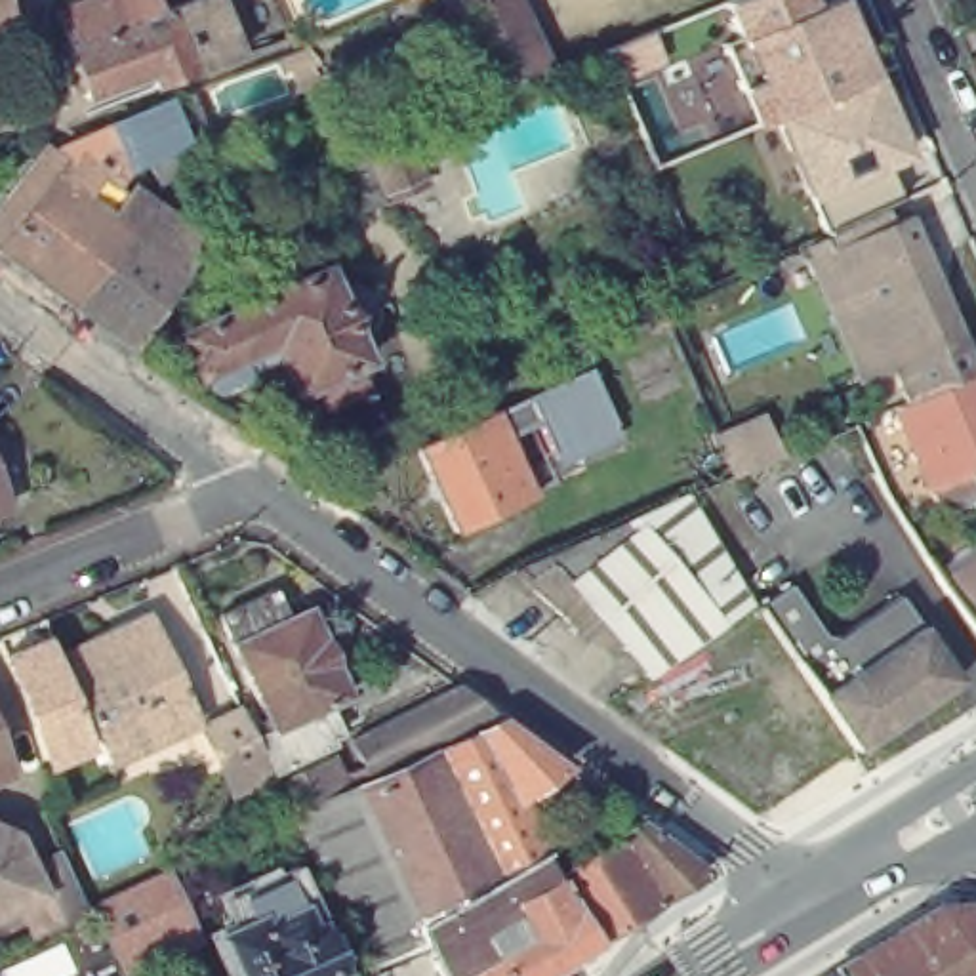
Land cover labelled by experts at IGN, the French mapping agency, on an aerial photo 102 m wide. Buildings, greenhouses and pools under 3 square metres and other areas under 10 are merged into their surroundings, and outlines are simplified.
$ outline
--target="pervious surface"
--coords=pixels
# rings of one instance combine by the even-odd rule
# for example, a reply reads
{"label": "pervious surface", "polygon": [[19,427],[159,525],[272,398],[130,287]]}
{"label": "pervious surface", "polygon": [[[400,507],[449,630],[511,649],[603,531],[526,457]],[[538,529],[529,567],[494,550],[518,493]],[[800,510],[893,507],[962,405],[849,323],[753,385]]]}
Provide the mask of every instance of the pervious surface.
{"label": "pervious surface", "polygon": [[766,187],[774,194],[801,191],[797,156],[785,153],[782,137],[755,133],[755,172],[766,179]]}
{"label": "pervious surface", "polygon": [[69,61],[76,69],[69,0],[19,0],[19,15],[50,46],[50,57]]}
{"label": "pervious surface", "polygon": [[625,69],[629,61],[625,46],[637,38],[629,23],[660,15],[663,0],[526,0],[553,53],[553,65],[599,57]]}

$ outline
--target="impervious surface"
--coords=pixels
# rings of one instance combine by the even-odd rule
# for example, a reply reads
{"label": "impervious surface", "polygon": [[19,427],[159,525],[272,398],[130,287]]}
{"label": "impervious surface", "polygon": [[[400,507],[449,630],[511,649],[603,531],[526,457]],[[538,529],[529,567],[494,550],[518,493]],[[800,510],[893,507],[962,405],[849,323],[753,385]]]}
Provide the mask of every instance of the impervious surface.
{"label": "impervious surface", "polygon": [[198,736],[141,755],[126,774],[156,774],[183,759],[202,763],[210,774],[217,774],[225,759],[202,728]]}
{"label": "impervious surface", "polygon": [[538,488],[545,488],[568,477],[572,469],[545,454],[541,435],[526,435],[519,446]]}
{"label": "impervious surface", "polygon": [[957,255],[976,294],[976,0],[850,0],[858,4],[869,27],[877,57],[904,103],[911,130],[919,137],[930,137],[934,145],[934,172],[900,172],[896,221],[919,221],[942,267]]}
{"label": "impervious surface", "polygon": [[690,80],[656,88],[660,107],[667,122],[679,130],[679,137],[698,137],[705,145],[717,145],[751,126],[755,118],[743,95],[736,92],[724,46],[705,34],[702,57],[690,61]]}
{"label": "impervious surface", "polygon": [[347,275],[355,290],[355,309],[366,316],[374,339],[389,343],[397,336],[397,297],[412,286],[419,263],[419,252],[393,225],[370,225],[366,236],[374,248],[366,255],[339,259],[339,271]]}
{"label": "impervious surface", "polygon": [[191,80],[183,88],[153,92],[65,130],[57,130],[57,122],[46,126],[50,149],[111,130],[164,103],[183,107],[194,141],[221,141],[233,126],[233,114],[221,114],[210,103],[210,84]]}
{"label": "impervious surface", "polygon": [[888,412],[881,416],[881,423],[854,423],[865,446],[877,469],[885,473],[900,511],[911,519],[911,526],[923,522],[930,507],[923,499],[938,499],[919,473],[919,458],[911,458],[911,438],[896,416],[896,408],[919,400],[904,385],[892,389],[888,377],[873,381],[877,393],[888,397]]}
{"label": "impervious surface", "polygon": [[442,240],[454,244],[461,236],[484,236],[488,229],[507,229],[576,187],[576,164],[583,156],[587,141],[580,118],[560,107],[557,114],[564,126],[564,149],[530,160],[515,172],[519,202],[511,214],[473,210],[473,164],[442,160],[438,172],[431,191],[419,191],[412,206]]}
{"label": "impervious surface", "polygon": [[76,976],[122,976],[122,961],[111,946],[92,949],[88,942],[80,942],[72,942],[69,949]]}
{"label": "impervious surface", "polygon": [[244,42],[252,50],[286,38],[290,19],[301,11],[305,0],[233,0],[233,11],[244,27]]}
{"label": "impervious surface", "polygon": [[614,549],[621,549],[633,538],[633,522],[602,538],[580,541],[576,549],[557,553],[549,560],[568,580],[591,576]]}
{"label": "impervious surface", "polygon": [[236,610],[248,610],[252,602],[282,591],[294,580],[278,576],[252,583],[233,599],[229,602]]}
{"label": "impervious surface", "polygon": [[[366,633],[381,629],[385,621],[404,621],[412,629],[412,660],[408,667],[400,667],[393,686],[362,686],[358,698],[339,698],[336,705],[336,713],[347,721],[358,717],[358,709],[381,713],[385,705],[412,698],[461,671],[465,686],[477,698],[492,702],[507,724],[515,721],[530,728],[538,740],[545,740],[553,751],[560,751],[580,774],[572,782],[576,793],[587,797],[621,793],[633,804],[637,824],[644,824],[644,835],[660,843],[660,850],[690,877],[698,892],[663,907],[637,934],[614,938],[599,957],[587,961],[583,976],[824,976],[850,949],[858,957],[869,957],[938,911],[976,904],[976,641],[953,614],[953,606],[930,587],[911,545],[896,530],[892,515],[885,511],[869,480],[858,473],[850,458],[797,458],[747,477],[743,492],[751,499],[728,511],[728,522],[736,526],[743,549],[755,560],[755,576],[743,580],[755,602],[770,602],[778,595],[793,599],[801,591],[808,610],[824,621],[831,637],[846,637],[907,599],[949,648],[961,679],[965,717],[949,721],[938,732],[930,732],[923,721],[911,721],[904,728],[904,740],[869,751],[865,743],[850,747],[846,763],[835,763],[827,774],[808,782],[789,801],[774,804],[770,812],[751,812],[743,801],[724,793],[682,755],[663,747],[652,732],[641,732],[606,702],[610,686],[641,682],[644,675],[637,656],[625,652],[625,644],[614,637],[606,621],[580,639],[576,625],[519,572],[492,583],[480,595],[469,595],[465,581],[480,568],[496,564],[499,557],[541,538],[534,530],[530,507],[511,519],[499,519],[488,530],[465,534],[465,549],[446,545],[435,557],[423,557],[419,545],[385,534],[366,515],[343,522],[343,503],[328,499],[328,507],[320,511],[316,503],[301,499],[282,480],[286,461],[271,450],[248,446],[221,416],[183,397],[168,377],[156,377],[145,366],[145,358],[122,358],[99,332],[92,332],[95,324],[84,316],[88,301],[61,301],[53,290],[19,275],[15,267],[4,267],[0,259],[0,419],[11,416],[11,404],[19,397],[42,389],[46,381],[65,400],[92,408],[103,423],[103,438],[130,438],[141,446],[141,454],[168,465],[175,473],[168,488],[156,499],[118,507],[61,534],[50,534],[46,522],[31,530],[27,545],[0,541],[0,717],[8,724],[15,755],[27,759],[27,789],[0,793],[0,820],[27,831],[42,862],[53,854],[50,827],[38,816],[34,797],[46,789],[42,782],[57,770],[46,763],[46,755],[34,751],[31,721],[8,667],[15,663],[15,656],[46,641],[57,641],[61,652],[69,652],[137,618],[160,621],[206,721],[248,713],[255,732],[271,732],[263,705],[255,702],[263,690],[248,663],[248,652],[236,641],[233,614],[221,618],[221,637],[210,641],[202,610],[183,583],[191,568],[202,564],[233,549],[248,549],[267,564],[275,557],[301,564],[316,591],[334,587],[362,608]],[[831,614],[816,591],[816,583],[827,580],[835,568],[850,568],[850,576],[858,576],[862,606],[854,614]]]}
{"label": "impervious surface", "polygon": [[305,84],[316,84],[320,69],[313,53],[290,57],[275,61],[275,80],[286,80],[294,88],[301,92]]}

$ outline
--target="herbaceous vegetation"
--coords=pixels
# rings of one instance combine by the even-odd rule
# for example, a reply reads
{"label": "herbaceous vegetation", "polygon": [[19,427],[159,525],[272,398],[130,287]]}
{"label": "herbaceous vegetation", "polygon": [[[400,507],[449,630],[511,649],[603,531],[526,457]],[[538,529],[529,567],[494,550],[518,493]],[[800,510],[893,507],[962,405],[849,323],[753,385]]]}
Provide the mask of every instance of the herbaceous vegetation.
{"label": "herbaceous vegetation", "polygon": [[210,580],[221,580],[233,599],[252,583],[278,576],[294,580],[282,591],[294,614],[320,610],[328,637],[347,652],[347,660],[355,660],[358,644],[377,644],[400,667],[408,667],[412,660],[412,629],[404,621],[385,621],[381,629],[366,633],[362,608],[334,587],[316,591],[301,564],[275,557],[267,564],[248,549],[233,549],[202,564]]}
{"label": "herbaceous vegetation", "polygon": [[214,820],[221,820],[221,804],[229,804],[233,797],[225,778],[217,774],[210,774],[194,789],[194,801],[179,804],[160,801],[156,774],[126,774],[122,774],[118,797],[137,797],[149,808],[145,862],[118,869],[107,881],[95,881],[80,850],[69,858],[76,888],[92,911],[99,915],[114,896],[172,873],[156,854],[164,846],[164,835],[210,827]]}
{"label": "herbaceous vegetation", "polygon": [[755,560],[743,549],[736,526],[728,522],[728,511],[751,499],[743,492],[747,477],[728,473],[721,484],[713,484],[713,496],[724,507],[724,519],[717,519],[713,526],[743,580],[755,576]]}
{"label": "herbaceous vegetation", "polygon": [[976,343],[976,294],[957,255],[942,267],[949,294]]}
{"label": "herbaceous vegetation", "polygon": [[599,145],[606,126],[580,118],[587,141],[583,156],[602,175],[625,175],[633,160],[625,149],[606,153]]}
{"label": "herbaceous vegetation", "polygon": [[[27,492],[27,442],[92,469],[92,480],[57,480],[46,492]],[[42,389],[19,397],[11,404],[11,416],[0,419],[0,458],[8,465],[11,488],[27,496],[27,526],[0,526],[0,541],[27,545],[31,530],[46,522],[57,511],[103,499],[145,477],[168,488],[175,473],[168,465],[141,454],[141,446],[130,438],[103,438],[103,423],[92,408],[65,400],[46,381]]]}
{"label": "herbaceous vegetation", "polygon": [[576,187],[507,229],[488,229],[484,236],[461,236],[454,244],[442,240],[431,255],[442,271],[458,278],[488,271],[503,252],[519,252],[522,275],[545,271],[545,248],[557,240],[557,229],[583,221],[591,214],[587,198]]}
{"label": "herbaceous vegetation", "polygon": [[290,19],[286,38],[290,57],[313,53],[320,69],[343,76],[366,57],[393,53],[393,46],[404,34],[431,23],[450,27],[459,38],[448,10],[448,4],[458,0],[385,0],[336,27],[316,27],[316,19],[301,11]]}
{"label": "herbaceous vegetation", "polygon": [[721,23],[679,31],[660,46],[671,61],[690,61],[702,57],[705,34],[724,46],[732,46],[732,53],[747,53],[747,46],[736,31]]}
{"label": "herbaceous vegetation", "polygon": [[736,0],[663,0],[660,15],[629,23],[637,38],[648,38],[660,27]]}
{"label": "herbaceous vegetation", "polygon": [[[755,172],[755,133],[751,126],[717,145],[705,145],[686,156],[656,156],[656,187],[667,194],[675,225],[690,217],[686,202],[694,194],[717,187],[721,198],[732,198],[747,210],[751,229],[770,259],[770,278],[763,282],[763,290],[724,286],[721,294],[698,301],[698,328],[675,332],[671,320],[644,324],[637,358],[621,374],[610,362],[599,362],[595,370],[625,427],[625,442],[572,469],[568,477],[545,488],[541,499],[530,507],[534,530],[541,538],[682,477],[686,454],[705,438],[705,431],[724,431],[751,419],[770,419],[778,431],[812,419],[824,435],[839,435],[850,419],[850,397],[862,393],[862,385],[850,381],[843,339],[831,328],[820,294],[808,286],[793,290],[785,282],[789,255],[824,244],[824,229],[816,229],[812,202],[801,191],[774,194],[766,187],[766,179]],[[804,339],[755,358],[747,370],[732,370],[721,347],[724,324],[743,324],[751,316],[774,313],[778,305],[797,309]]]}
{"label": "herbaceous vegetation", "polygon": [[610,686],[606,702],[641,732],[652,732],[663,747],[682,755],[724,793],[743,801],[751,812],[770,812],[774,804],[789,801],[808,782],[827,774],[835,763],[846,763],[850,747],[820,709],[820,698],[812,694],[808,679],[797,671],[797,663],[785,660],[785,652],[763,621],[743,618],[713,641],[713,648],[682,656],[656,679],[644,675],[641,682]]}

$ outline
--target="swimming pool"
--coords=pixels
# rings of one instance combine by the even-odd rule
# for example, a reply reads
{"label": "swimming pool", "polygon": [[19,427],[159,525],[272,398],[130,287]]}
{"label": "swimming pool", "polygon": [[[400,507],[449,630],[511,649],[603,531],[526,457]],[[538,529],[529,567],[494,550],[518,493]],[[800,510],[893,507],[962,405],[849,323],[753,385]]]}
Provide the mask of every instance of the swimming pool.
{"label": "swimming pool", "polygon": [[80,850],[95,881],[107,881],[118,869],[145,862],[149,808],[137,797],[118,797],[72,820]]}
{"label": "swimming pool", "polygon": [[679,130],[667,122],[660,107],[656,88],[641,84],[633,92],[633,103],[652,137],[656,156],[686,156],[705,145],[698,137],[679,137]]}
{"label": "swimming pool", "polygon": [[511,214],[519,202],[515,172],[530,160],[564,149],[564,126],[557,114],[560,107],[538,107],[522,114],[515,126],[492,133],[484,141],[484,156],[473,164],[473,210]]}
{"label": "swimming pool", "polygon": [[301,11],[316,19],[316,27],[336,27],[385,0],[305,0]]}
{"label": "swimming pool", "polygon": [[4,976],[76,976],[69,949],[46,949],[31,961],[11,965]]}
{"label": "swimming pool", "polygon": [[743,324],[724,324],[721,347],[732,370],[747,370],[755,358],[804,339],[797,309],[778,305],[774,313],[751,316]]}
{"label": "swimming pool", "polygon": [[286,80],[275,80],[275,61],[210,84],[210,103],[221,114],[233,114],[282,103],[294,88]]}

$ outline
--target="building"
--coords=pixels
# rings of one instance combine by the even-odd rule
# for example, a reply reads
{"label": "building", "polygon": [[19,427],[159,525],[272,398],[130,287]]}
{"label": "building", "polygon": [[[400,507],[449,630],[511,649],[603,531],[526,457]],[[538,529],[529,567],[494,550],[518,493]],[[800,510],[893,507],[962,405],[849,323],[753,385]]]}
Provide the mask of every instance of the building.
{"label": "building", "polygon": [[431,191],[438,172],[362,172],[370,225],[393,225],[404,206],[412,206],[419,191]]}
{"label": "building", "polygon": [[0,458],[0,526],[27,526],[27,496],[11,488],[8,465]]}
{"label": "building", "polygon": [[824,976],[976,976],[976,904],[938,911],[869,957],[858,957],[850,949]]}
{"label": "building", "polygon": [[397,336],[389,343],[374,339],[366,316],[355,309],[355,290],[347,275],[339,271],[332,271],[324,282],[290,282],[282,301],[275,301],[259,316],[236,316],[229,328],[221,328],[217,316],[198,320],[198,332],[191,336],[198,362],[202,381],[225,397],[236,397],[259,381],[263,389],[278,389],[316,435],[347,435],[358,446],[370,431],[400,423],[400,377],[412,370],[404,339]]}
{"label": "building", "polygon": [[976,343],[949,294],[942,267],[919,221],[896,221],[900,172],[934,172],[934,145],[930,137],[919,137],[911,130],[904,103],[877,57],[869,27],[858,4],[850,0],[736,0],[660,27],[648,38],[637,38],[625,46],[629,61],[641,84],[656,88],[690,80],[690,61],[671,61],[660,46],[679,31],[721,23],[736,31],[747,46],[747,53],[732,53],[732,46],[724,46],[736,92],[743,95],[755,118],[751,126],[755,133],[782,137],[785,153],[797,156],[801,191],[812,202],[816,229],[824,229],[824,244],[789,255],[785,282],[793,290],[808,286],[820,294],[831,328],[843,339],[850,381],[862,385],[873,381],[888,377],[892,389],[904,385],[919,400],[896,408],[896,416],[911,438],[911,458],[919,458],[919,473],[938,499],[949,496],[976,511]]}
{"label": "building", "polygon": [[0,717],[0,793],[27,789],[27,759],[15,755],[8,724]]}
{"label": "building", "polygon": [[164,934],[194,930],[191,900],[172,873],[114,896],[99,915],[111,923],[111,946],[122,961],[122,976],[130,976],[137,972],[141,953],[153,942],[160,942]]}
{"label": "building", "polygon": [[76,888],[69,858],[53,854],[42,862],[27,831],[0,820],[0,930],[31,930],[46,949],[69,949],[72,942],[80,942],[76,919],[92,911]]}
{"label": "building", "polygon": [[175,191],[168,187],[175,156],[183,156],[194,141],[183,107],[164,103],[111,130],[50,149],[27,160],[19,168],[19,179],[11,179],[0,194],[0,259],[4,267],[15,267],[19,275],[53,290],[61,301],[88,301],[84,316],[95,324],[92,332],[99,332],[122,358],[145,358],[145,347],[160,339],[160,328],[168,324],[172,309],[187,309],[187,286],[198,275],[194,259],[202,252],[202,240],[183,229]]}
{"label": "building", "polygon": [[0,27],[19,15],[19,0],[0,0]]}
{"label": "building", "polygon": [[743,580],[713,526],[702,515],[698,499],[686,496],[633,522],[633,538],[621,549],[614,549],[591,576],[568,580],[549,560],[538,560],[519,572],[576,625],[580,639],[606,621],[614,637],[625,644],[625,652],[637,656],[644,675],[656,679],[682,656],[713,648],[713,641],[743,618],[763,621],[785,652],[785,660],[797,663],[797,671],[808,679],[812,694],[820,698],[820,709],[850,747],[865,743],[869,751],[904,740],[904,728],[911,721],[923,721],[930,732],[938,732],[949,721],[965,717],[961,679],[949,648],[907,599],[846,637],[831,637],[824,621],[808,610],[801,591],[793,599],[778,595],[770,602],[755,602]]}
{"label": "building", "polygon": [[503,80],[534,80],[553,65],[553,53],[526,0],[458,0],[448,4],[448,10],[459,38],[480,50]]}
{"label": "building", "polygon": [[953,614],[976,641],[976,541],[957,553],[946,541],[934,541],[923,530],[923,522],[911,526],[911,519],[900,511],[885,473],[877,469],[865,446],[862,461],[869,469],[869,480],[885,511],[892,515],[896,530],[911,545],[930,587],[953,606]]}
{"label": "building", "polygon": [[76,69],[76,84],[69,88],[57,122],[57,130],[65,130],[153,92],[183,88],[191,80],[210,84],[275,61],[290,57],[286,38],[252,50],[244,42],[244,27],[233,11],[233,0],[69,0]]}
{"label": "building", "polygon": [[583,976],[587,961],[599,957],[614,938],[637,934],[663,907],[698,892],[690,877],[660,850],[660,843],[644,835],[625,843],[621,850],[606,850],[583,869],[572,865],[564,850],[545,850],[538,839],[538,804],[572,782],[580,774],[560,751],[553,751],[545,740],[538,740],[530,728],[515,721],[507,724],[492,702],[477,698],[465,686],[461,671],[412,698],[385,705],[381,713],[358,709],[358,717],[347,721],[336,713],[336,705],[339,698],[358,698],[362,686],[355,675],[355,660],[347,660],[347,652],[328,637],[320,610],[294,614],[282,591],[252,602],[248,610],[236,610],[233,614],[236,641],[248,652],[248,663],[263,690],[255,702],[263,705],[271,732],[255,732],[248,713],[206,721],[160,621],[137,618],[69,652],[61,652],[57,641],[46,641],[15,656],[15,663],[8,667],[31,721],[34,751],[46,755],[46,763],[57,770],[65,774],[72,766],[103,766],[122,774],[126,774],[141,755],[198,736],[202,728],[225,759],[217,774],[225,778],[233,797],[240,801],[282,774],[316,785],[320,804],[309,812],[297,835],[305,835],[320,862],[339,862],[339,892],[316,896],[316,881],[309,869],[271,869],[225,892],[225,915],[214,946],[229,976]]}
{"label": "building", "polygon": [[785,450],[778,431],[770,419],[751,419],[724,431],[728,473],[747,477],[797,458]]}
{"label": "building", "polygon": [[545,389],[534,400],[511,404],[458,438],[442,438],[419,450],[427,496],[442,507],[450,530],[465,534],[488,530],[499,519],[511,519],[530,507],[541,499],[545,488],[538,488],[519,446],[526,435],[541,435],[545,454],[572,469],[625,442],[625,427],[595,370],[580,374],[560,389]]}

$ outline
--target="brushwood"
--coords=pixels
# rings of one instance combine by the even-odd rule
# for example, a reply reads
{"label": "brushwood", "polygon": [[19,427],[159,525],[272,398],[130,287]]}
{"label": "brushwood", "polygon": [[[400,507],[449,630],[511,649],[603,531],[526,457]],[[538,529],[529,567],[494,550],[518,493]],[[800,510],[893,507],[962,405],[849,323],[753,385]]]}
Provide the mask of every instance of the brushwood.
{"label": "brushwood", "polygon": [[202,610],[210,641],[221,637],[221,618],[233,614],[236,610],[229,602],[233,599],[221,580],[210,580],[202,564],[191,568],[183,583]]}
{"label": "brushwood", "polygon": [[404,206],[393,225],[419,252],[419,263],[431,255],[442,240],[412,206]]}
{"label": "brushwood", "polygon": [[519,572],[538,560],[549,560],[557,553],[576,549],[580,541],[602,538],[633,522],[686,496],[690,488],[682,477],[541,538],[499,557],[496,564],[480,568],[465,581],[469,595],[480,595],[492,583]]}
{"label": "brushwood", "polygon": [[145,358],[145,366],[156,377],[168,377],[183,397],[221,416],[225,397],[202,381],[198,362],[175,355],[160,339],[145,347]]}
{"label": "brushwood", "polygon": [[42,782],[46,789],[34,797],[38,816],[50,827],[53,854],[69,858],[80,850],[72,820],[118,797],[122,774],[103,766],[72,766],[65,774],[57,770]]}
{"label": "brushwood", "polygon": [[46,522],[50,534],[61,534],[118,507],[156,499],[168,488],[145,477],[103,499],[57,511]]}

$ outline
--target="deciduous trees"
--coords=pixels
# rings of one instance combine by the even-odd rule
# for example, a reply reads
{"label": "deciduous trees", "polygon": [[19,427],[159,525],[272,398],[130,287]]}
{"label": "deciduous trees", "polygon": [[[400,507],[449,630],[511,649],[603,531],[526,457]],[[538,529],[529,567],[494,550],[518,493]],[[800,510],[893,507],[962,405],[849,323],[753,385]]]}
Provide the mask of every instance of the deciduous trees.
{"label": "deciduous trees", "polygon": [[156,854],[172,873],[191,900],[194,930],[164,934],[160,942],[153,942],[141,953],[137,972],[130,976],[229,976],[214,946],[225,915],[225,892],[271,869],[309,869],[316,881],[316,896],[339,892],[339,862],[320,862],[305,835],[297,835],[309,812],[320,804],[316,785],[282,774],[240,801],[233,797],[229,804],[221,804],[221,820],[214,820],[210,827],[164,835],[164,846]]}
{"label": "deciduous trees", "polygon": [[57,122],[69,88],[76,84],[76,69],[69,61],[50,57],[50,46],[19,15],[0,27],[0,194],[11,179],[19,179],[19,168],[27,160],[50,149],[46,126]]}
{"label": "deciduous trees", "polygon": [[797,458],[850,458],[858,473],[869,480],[869,469],[862,461],[865,446],[854,423],[881,423],[881,416],[888,412],[888,397],[877,393],[873,381],[862,385],[862,393],[850,397],[850,419],[839,435],[824,435],[812,419],[778,431],[785,450]]}
{"label": "deciduous trees", "polygon": [[11,965],[31,961],[46,949],[31,930],[0,930],[0,976],[4,976]]}
{"label": "deciduous trees", "polygon": [[713,496],[713,484],[721,484],[728,473],[724,431],[705,431],[705,438],[686,454],[682,477],[690,488],[686,496],[698,499],[702,515],[713,526],[717,519],[724,519],[724,507]]}
{"label": "deciduous trees", "polygon": [[976,541],[976,511],[949,496],[938,499],[923,499],[930,507],[923,522],[923,530],[934,541],[946,541],[957,553]]}
{"label": "deciduous trees", "polygon": [[545,850],[564,850],[572,865],[583,869],[606,850],[621,850],[625,843],[644,835],[644,824],[637,824],[633,804],[621,793],[587,797],[576,793],[572,782],[538,804],[538,839]]}
{"label": "deciduous trees", "polygon": [[92,911],[76,919],[80,942],[88,942],[92,949],[111,946],[111,923],[99,915]]}
{"label": "deciduous trees", "polygon": [[202,763],[183,759],[156,774],[160,801],[179,804],[194,801],[194,789],[210,774]]}
{"label": "deciduous trees", "polygon": [[816,591],[831,614],[854,614],[862,606],[858,576],[850,576],[850,568],[835,568],[827,580],[816,583]]}
{"label": "deciduous trees", "polygon": [[187,309],[172,309],[168,324],[160,328],[160,339],[175,355],[198,362],[191,336],[198,332],[198,320],[217,316],[221,328],[229,328],[236,316],[259,316],[275,301],[282,301],[290,282],[324,282],[332,271],[339,271],[339,259],[366,255],[374,248],[366,236],[370,225],[362,172],[438,172],[442,160],[473,164],[484,156],[484,141],[492,133],[515,126],[522,114],[538,107],[560,107],[580,118],[606,126],[599,145],[606,153],[625,149],[633,160],[625,175],[602,175],[583,156],[576,164],[576,187],[587,198],[591,214],[583,221],[557,229],[557,240],[545,248],[545,271],[522,275],[519,252],[503,252],[488,271],[458,278],[442,271],[431,255],[419,263],[412,286],[397,297],[397,336],[404,339],[412,370],[400,377],[400,423],[370,431],[358,446],[347,435],[316,435],[278,389],[263,389],[259,381],[236,397],[225,397],[221,416],[248,446],[271,450],[286,461],[282,480],[301,499],[316,503],[320,511],[328,507],[328,499],[343,503],[343,522],[366,515],[385,534],[419,545],[423,557],[435,557],[446,545],[465,549],[465,534],[450,530],[442,507],[427,496],[419,450],[442,438],[458,438],[511,404],[534,400],[545,389],[560,389],[580,374],[595,370],[599,362],[610,362],[621,374],[637,358],[644,324],[671,320],[675,332],[698,328],[698,301],[721,294],[724,286],[763,290],[763,282],[770,278],[770,259],[751,229],[747,210],[732,198],[721,198],[717,187],[694,194],[686,202],[690,217],[675,225],[667,194],[656,187],[656,156],[652,137],[633,103],[633,92],[641,84],[629,61],[625,69],[599,57],[553,65],[534,80],[503,80],[480,50],[459,38],[450,27],[431,23],[404,34],[393,46],[393,53],[366,57],[343,76],[320,69],[316,84],[305,84],[301,92],[294,88],[282,103],[233,114],[233,126],[221,141],[194,141],[183,156],[175,156],[168,187],[175,191],[183,229],[202,240],[202,252],[194,259],[198,275],[187,286]]}
{"label": "deciduous trees", "polygon": [[57,480],[92,480],[92,469],[27,442],[27,492],[46,492]]}
{"label": "deciduous trees", "polygon": [[400,667],[377,644],[358,644],[355,660],[355,675],[362,686],[393,686]]}

